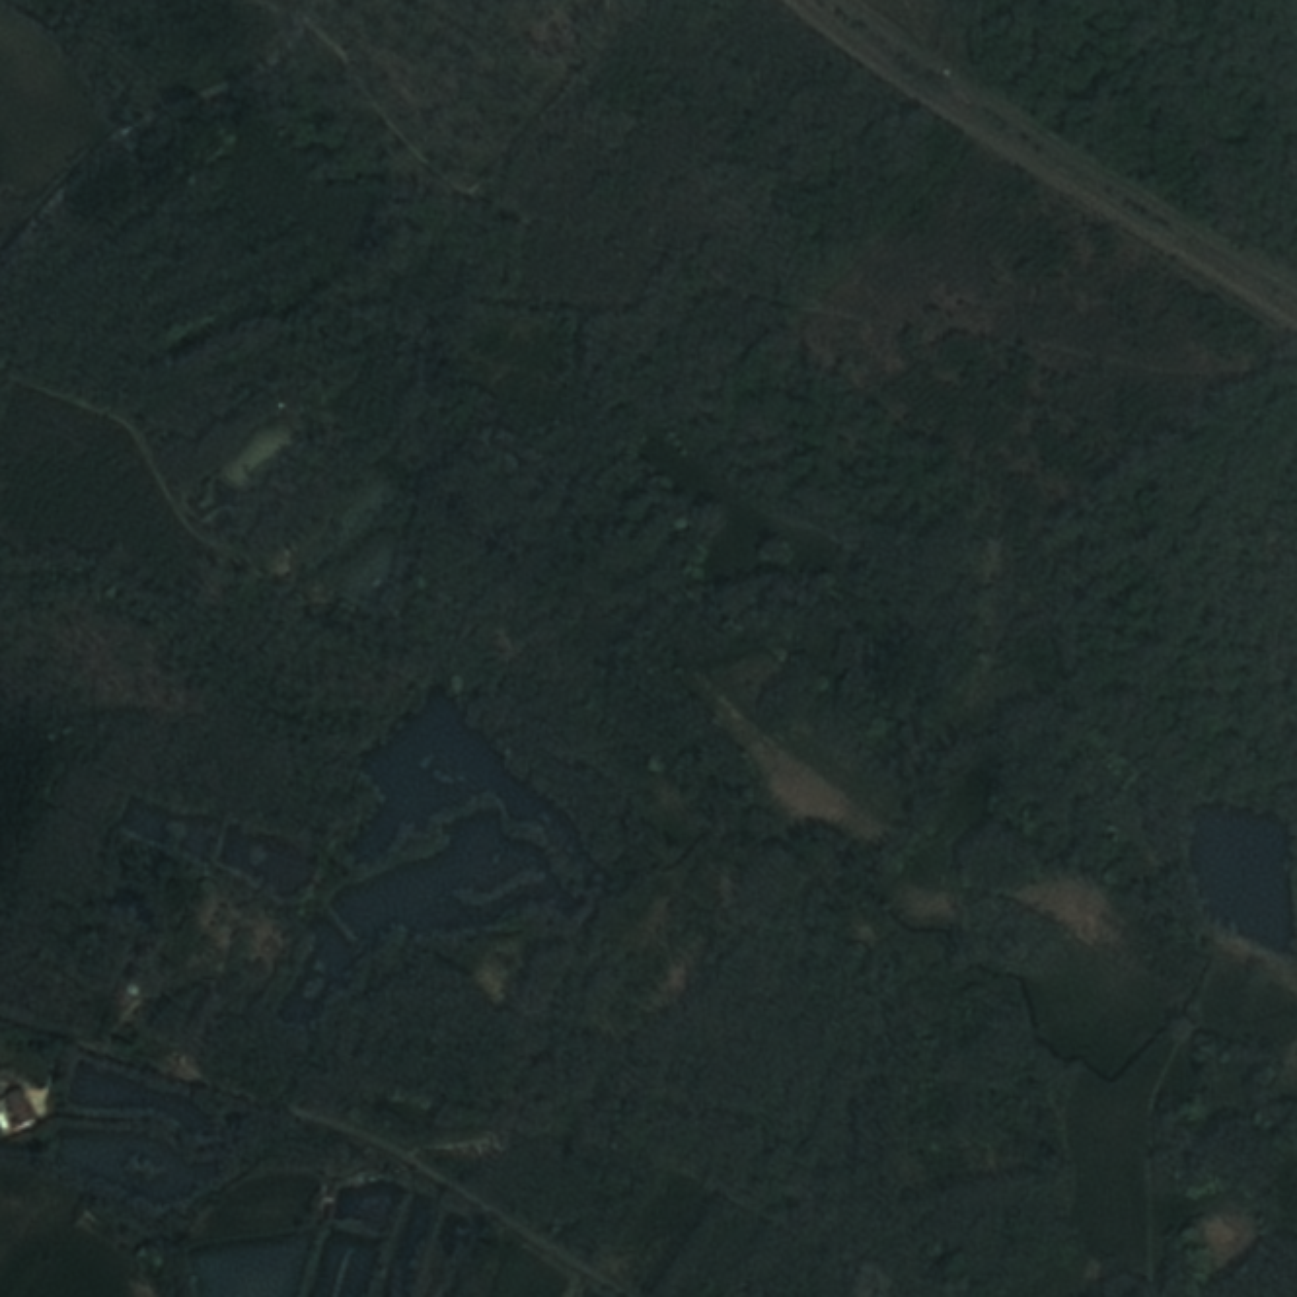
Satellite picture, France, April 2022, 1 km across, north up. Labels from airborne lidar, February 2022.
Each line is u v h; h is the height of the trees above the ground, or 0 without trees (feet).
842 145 74
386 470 0
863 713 59
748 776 62
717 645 42
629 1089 90
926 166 67
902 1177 66
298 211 0
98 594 74
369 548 32
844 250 54
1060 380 36
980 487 82
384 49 89
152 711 56
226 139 39
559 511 78
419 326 90
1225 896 0
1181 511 80
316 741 62
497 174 0
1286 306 0
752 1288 69
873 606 27
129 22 0
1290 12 81
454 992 62
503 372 0
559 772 68
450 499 76
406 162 75
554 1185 83
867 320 0
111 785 73
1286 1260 81
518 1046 83
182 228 62
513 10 92
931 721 81
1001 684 0
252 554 62
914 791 87
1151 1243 0
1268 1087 70
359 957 42
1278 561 67
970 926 107
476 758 0
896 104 58
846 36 0
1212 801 61
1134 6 84
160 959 60
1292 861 29
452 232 78
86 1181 55
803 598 78
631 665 52
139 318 66
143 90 0
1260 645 81
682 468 0
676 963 0
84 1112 0
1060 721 85
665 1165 92
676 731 73
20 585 69
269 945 0
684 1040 78
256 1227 0
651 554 91
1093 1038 0
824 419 85
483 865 0
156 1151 0
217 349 71
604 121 71
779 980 72
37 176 0
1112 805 30
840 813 0
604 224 51
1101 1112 0
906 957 22
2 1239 0
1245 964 0
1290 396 63
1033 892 0
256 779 70
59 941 72
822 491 86
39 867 72
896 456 78
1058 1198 63
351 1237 0
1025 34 85
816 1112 58
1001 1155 0
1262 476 77
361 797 60
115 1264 0
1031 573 0
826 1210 96
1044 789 73
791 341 84
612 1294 22
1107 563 79
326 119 0
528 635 46
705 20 72
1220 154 77
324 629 78
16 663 54
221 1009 86
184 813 48
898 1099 89
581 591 57
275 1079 59
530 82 77
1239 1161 92
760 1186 79
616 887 29
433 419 80
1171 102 96
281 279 70
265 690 71
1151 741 79
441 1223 0
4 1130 0
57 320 80
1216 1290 62
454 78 86
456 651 20
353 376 62
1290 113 88
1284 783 84
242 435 67
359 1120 65
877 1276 133
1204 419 84
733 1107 81
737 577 0
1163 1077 0
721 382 84
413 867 0
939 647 65
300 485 55
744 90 74
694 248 41
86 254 0
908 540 96
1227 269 0
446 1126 70
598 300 49
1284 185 94
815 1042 80
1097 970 0
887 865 70
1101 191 0
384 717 66
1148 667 88
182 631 71
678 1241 0
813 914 54
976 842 41
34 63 0
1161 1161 50
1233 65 87
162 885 80
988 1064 74
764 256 70
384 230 78
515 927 27
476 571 21
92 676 78
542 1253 0
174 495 23
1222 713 91
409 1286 30
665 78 0
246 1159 73
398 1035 73
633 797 31
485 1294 50
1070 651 86
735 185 78
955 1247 78
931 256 0
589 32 90
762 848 47
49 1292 0
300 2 0
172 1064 75
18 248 63
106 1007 0
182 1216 82
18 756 0
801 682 64
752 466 82
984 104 0
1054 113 84
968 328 0
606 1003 73
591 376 79
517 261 70
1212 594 92
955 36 0
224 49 0
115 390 67
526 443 54
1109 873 34
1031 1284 33
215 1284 0
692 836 0
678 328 66
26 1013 70
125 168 0
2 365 41
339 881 25
